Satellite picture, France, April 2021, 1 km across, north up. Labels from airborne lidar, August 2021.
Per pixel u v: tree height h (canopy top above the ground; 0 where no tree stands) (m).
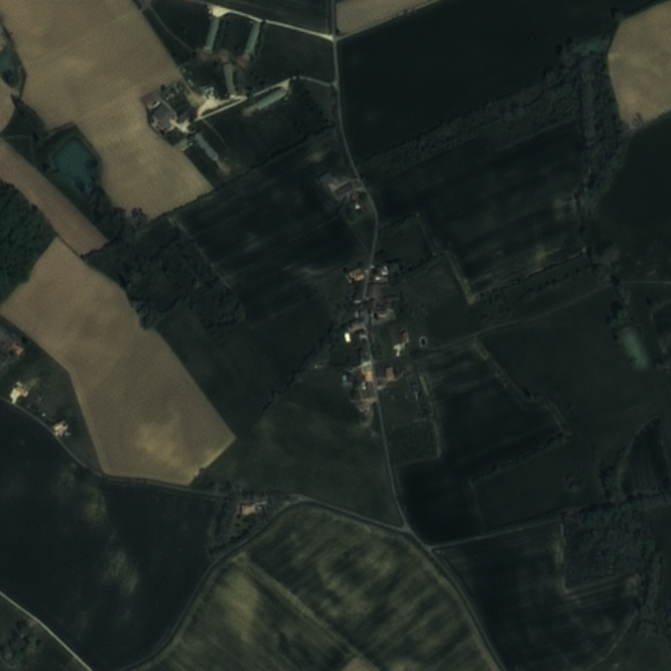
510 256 0
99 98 0
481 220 0
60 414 0
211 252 0
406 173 0
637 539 17
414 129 0
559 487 0
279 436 0
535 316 0
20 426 0
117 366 0
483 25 0
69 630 0
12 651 13
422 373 0
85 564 0
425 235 0
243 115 0
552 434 0
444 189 0
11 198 22
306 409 0
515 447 0
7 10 0
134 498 0
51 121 0
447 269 0
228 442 0
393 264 9
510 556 0
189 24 0
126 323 0
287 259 0
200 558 0
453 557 0
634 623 0
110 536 0
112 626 0
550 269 6
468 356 0
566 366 0
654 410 0
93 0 0
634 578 0
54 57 0
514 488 0
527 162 0
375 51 0
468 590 0
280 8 0
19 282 21
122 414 0
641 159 0
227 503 13
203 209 0
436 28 0
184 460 0
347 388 0
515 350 0
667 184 0
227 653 0
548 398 0
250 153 0
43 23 0
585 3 0
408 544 0
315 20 0
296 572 0
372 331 13
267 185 0
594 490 0
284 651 0
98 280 0
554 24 0
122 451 0
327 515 0
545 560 0
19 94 0
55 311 0
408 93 0
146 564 0
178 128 7
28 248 22
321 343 7
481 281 0
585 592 0
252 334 0
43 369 0
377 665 0
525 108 6
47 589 0
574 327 0
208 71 0
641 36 0
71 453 0
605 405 0
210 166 0
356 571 0
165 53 0
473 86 0
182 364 0
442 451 0
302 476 0
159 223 6
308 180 0
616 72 0
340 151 0
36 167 0
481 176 0
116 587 0
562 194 0
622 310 18
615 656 0
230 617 0
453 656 0
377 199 0
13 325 0
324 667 0
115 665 0
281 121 0
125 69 0
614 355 0
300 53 0
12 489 0
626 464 0
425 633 0
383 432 0
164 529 0
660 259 0
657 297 0
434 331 0
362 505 0
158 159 0
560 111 9
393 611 0
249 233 0
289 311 0
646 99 0
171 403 0
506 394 0
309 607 0
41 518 0
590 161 22
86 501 0
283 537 0
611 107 17
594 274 14
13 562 0
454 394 0
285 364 0
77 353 0
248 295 0
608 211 0
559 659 0
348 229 0
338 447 0
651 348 0
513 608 0
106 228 27
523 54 0
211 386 0
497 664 0
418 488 0
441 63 0
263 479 0
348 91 0
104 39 0
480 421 0
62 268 0
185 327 0
